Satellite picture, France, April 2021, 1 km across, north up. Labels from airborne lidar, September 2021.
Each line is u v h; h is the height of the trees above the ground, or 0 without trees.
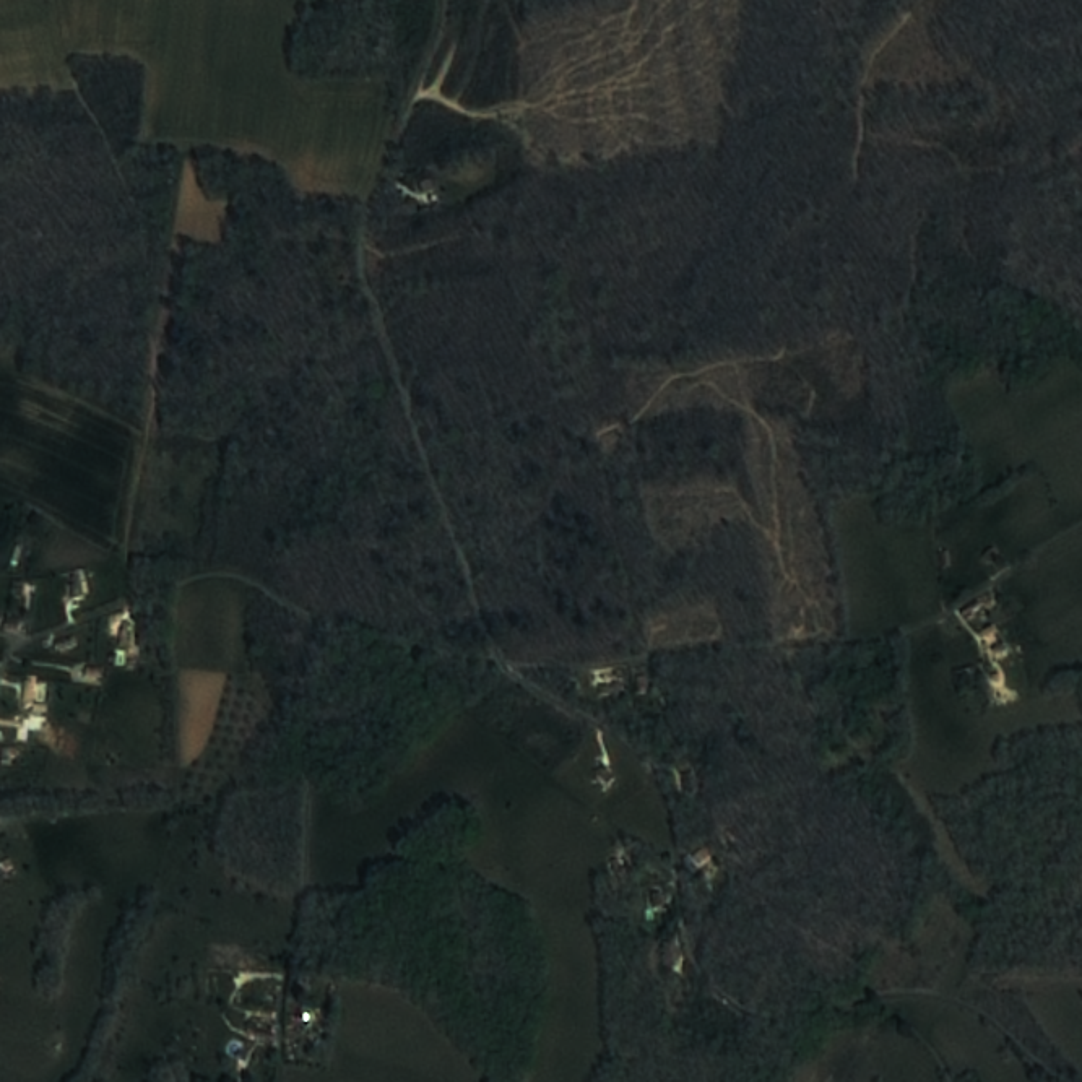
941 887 20
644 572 16
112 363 18
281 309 17
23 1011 0
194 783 7
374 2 9
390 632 17
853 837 18
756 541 19
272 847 17
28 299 21
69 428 0
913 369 13
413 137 6
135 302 21
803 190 14
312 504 23
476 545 15
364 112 0
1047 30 17
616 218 13
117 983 16
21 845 0
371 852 0
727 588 19
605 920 17
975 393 0
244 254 17
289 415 25
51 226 20
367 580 15
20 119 19
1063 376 0
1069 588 0
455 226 11
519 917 19
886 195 10
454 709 21
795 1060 11
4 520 5
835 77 17
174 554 12
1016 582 0
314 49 19
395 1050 0
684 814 15
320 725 21
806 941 19
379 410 16
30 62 0
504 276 14
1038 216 13
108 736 0
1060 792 17
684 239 14
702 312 24
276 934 0
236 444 19
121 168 23
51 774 0
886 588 0
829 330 13
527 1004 21
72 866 0
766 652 14
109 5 0
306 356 15
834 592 17
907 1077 0
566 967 0
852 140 13
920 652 0
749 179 19
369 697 24
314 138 0
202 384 25
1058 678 15
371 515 20
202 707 0
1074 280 13
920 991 0
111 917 0
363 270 17
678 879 10
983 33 18
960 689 10
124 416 15
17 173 17
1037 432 0
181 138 0
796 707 16
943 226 12
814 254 14
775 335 15
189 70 0
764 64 18
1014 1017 10
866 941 16
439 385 17
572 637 13
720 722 18
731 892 13
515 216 21
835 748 17
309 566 16
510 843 0
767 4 22
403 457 19
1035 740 17
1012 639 0
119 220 23
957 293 10
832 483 20
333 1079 0
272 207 21
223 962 0
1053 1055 9
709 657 15
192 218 0
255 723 10
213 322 19
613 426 9
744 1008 17
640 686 0
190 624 0
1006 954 12
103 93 15
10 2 0
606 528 16
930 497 14
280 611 10
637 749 18
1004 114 6
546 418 15
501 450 21
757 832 21
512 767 0
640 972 17
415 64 8
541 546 18
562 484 14
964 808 14
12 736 0
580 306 12
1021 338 17
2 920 0
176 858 0
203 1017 0
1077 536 0
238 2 0
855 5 21
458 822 24
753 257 20
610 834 0
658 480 8
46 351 21
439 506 21
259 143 0
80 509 0
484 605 13
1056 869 16
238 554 15
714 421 13
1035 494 0
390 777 18
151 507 0
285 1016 6
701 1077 19
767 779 14
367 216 18
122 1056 0
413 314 12
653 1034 16
